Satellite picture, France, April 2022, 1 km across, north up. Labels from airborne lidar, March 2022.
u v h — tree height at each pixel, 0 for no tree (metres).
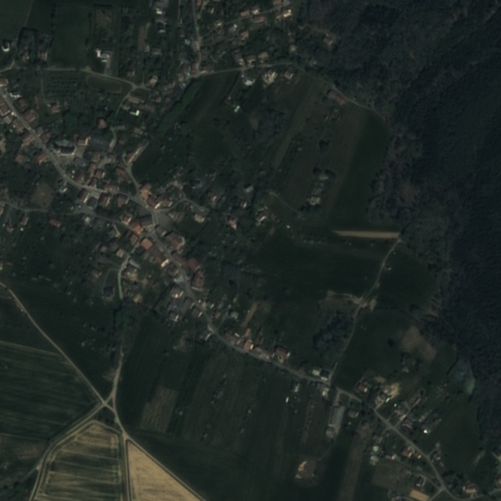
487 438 12
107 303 0
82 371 0
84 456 0
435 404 0
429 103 33
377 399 9
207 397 0
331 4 26
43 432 0
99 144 0
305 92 0
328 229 0
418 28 31
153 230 0
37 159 0
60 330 0
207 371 0
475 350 16
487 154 18
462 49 17
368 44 19
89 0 0
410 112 23
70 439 0
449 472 0
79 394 0
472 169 14
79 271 0
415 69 23
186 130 17
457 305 21
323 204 0
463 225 19
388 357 0
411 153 18
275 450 0
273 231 0
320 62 21
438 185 16
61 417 0
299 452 0
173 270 0
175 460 0
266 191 12
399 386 0
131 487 0
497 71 15
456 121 14
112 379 0
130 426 0
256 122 0
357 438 14
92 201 0
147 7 0
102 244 6
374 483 0
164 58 6
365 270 0
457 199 20
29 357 0
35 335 0
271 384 0
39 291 0
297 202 0
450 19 27
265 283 15
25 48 7
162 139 15
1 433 0
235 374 0
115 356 14
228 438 0
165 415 0
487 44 19
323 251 0
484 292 23
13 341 0
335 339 24
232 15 8
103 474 0
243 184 17
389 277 0
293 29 8
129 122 0
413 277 0
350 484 0
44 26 0
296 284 0
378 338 0
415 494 0
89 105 14
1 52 0
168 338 0
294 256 0
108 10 7
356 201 0
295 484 0
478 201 19
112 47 0
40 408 0
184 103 12
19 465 0
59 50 0
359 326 0
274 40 20
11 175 0
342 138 0
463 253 20
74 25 0
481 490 0
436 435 0
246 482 0
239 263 8
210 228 0
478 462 0
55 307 0
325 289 0
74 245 9
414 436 12
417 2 7
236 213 16
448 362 0
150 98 7
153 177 0
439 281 18
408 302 0
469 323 14
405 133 26
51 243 0
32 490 0
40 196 0
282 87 0
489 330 12
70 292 6
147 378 0
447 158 12
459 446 0
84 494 0
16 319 0
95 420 0
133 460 0
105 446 0
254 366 0
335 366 0
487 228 22
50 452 0
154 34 0
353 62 24
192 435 0
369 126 0
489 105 13
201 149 0
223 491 0
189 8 8
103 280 0
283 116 13
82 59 0
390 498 0
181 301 0
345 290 0
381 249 0
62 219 14
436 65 18
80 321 0
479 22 15
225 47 14
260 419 0
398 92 9
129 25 7
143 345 0
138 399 0
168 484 0
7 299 0
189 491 0
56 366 0
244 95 13
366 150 0
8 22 0
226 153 0
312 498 0
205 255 20
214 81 0
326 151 16
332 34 17
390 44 19
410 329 0
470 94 18
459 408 0
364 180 0
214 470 0
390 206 26
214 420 0
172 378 0
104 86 0
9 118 0
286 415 0
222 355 0
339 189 0
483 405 17
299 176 0
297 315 0
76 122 8
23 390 0
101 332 9
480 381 24
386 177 23
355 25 26
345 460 0
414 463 10
